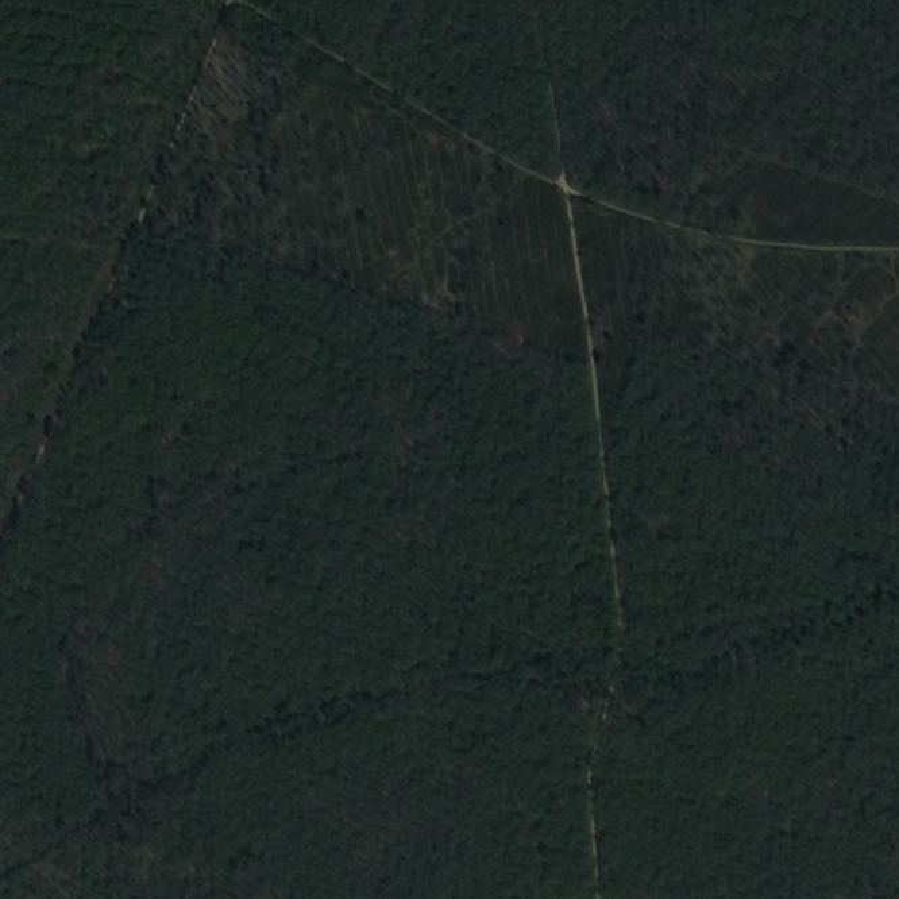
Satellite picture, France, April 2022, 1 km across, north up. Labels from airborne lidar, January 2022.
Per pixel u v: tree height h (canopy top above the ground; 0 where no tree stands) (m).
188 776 25
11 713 23
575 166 19
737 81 29
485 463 20
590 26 24
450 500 23
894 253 0
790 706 23
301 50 26
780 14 23
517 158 20
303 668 23
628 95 24
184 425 23
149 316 22
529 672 21
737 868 21
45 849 20
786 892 20
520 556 23
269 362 18
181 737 25
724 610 23
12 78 26
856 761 24
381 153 24
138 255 19
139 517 22
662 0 25
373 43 24
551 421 21
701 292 21
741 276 0
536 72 23
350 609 24
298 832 22
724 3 8
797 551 22
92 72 23
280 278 23
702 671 23
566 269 6
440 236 0
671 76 28
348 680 20
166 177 22
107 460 21
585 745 19
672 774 22
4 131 23
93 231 25
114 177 24
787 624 21
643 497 23
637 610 23
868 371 21
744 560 23
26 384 24
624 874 20
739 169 24
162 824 25
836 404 23
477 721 21
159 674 27
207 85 25
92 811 22
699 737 22
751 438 18
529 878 23
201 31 18
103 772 28
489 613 23
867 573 23
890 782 23
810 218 6
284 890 27
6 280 23
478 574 23
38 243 22
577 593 23
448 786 23
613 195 24
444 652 21
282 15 18
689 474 22
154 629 22
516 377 23
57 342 21
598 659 21
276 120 20
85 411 20
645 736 22
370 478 18
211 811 27
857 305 20
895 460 28
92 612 24
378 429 21
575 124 25
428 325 22
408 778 22
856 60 25
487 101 24
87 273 22
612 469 19
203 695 24
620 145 23
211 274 28
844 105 25
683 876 23
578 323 20
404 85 24
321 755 19
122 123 22
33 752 25
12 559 20
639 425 22
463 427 23
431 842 20
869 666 24
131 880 22
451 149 0
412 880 19
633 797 22
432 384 19
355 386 17
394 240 0
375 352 23
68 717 24
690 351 19
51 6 21
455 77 22
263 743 25
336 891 24
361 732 25
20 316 22
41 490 24
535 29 23
